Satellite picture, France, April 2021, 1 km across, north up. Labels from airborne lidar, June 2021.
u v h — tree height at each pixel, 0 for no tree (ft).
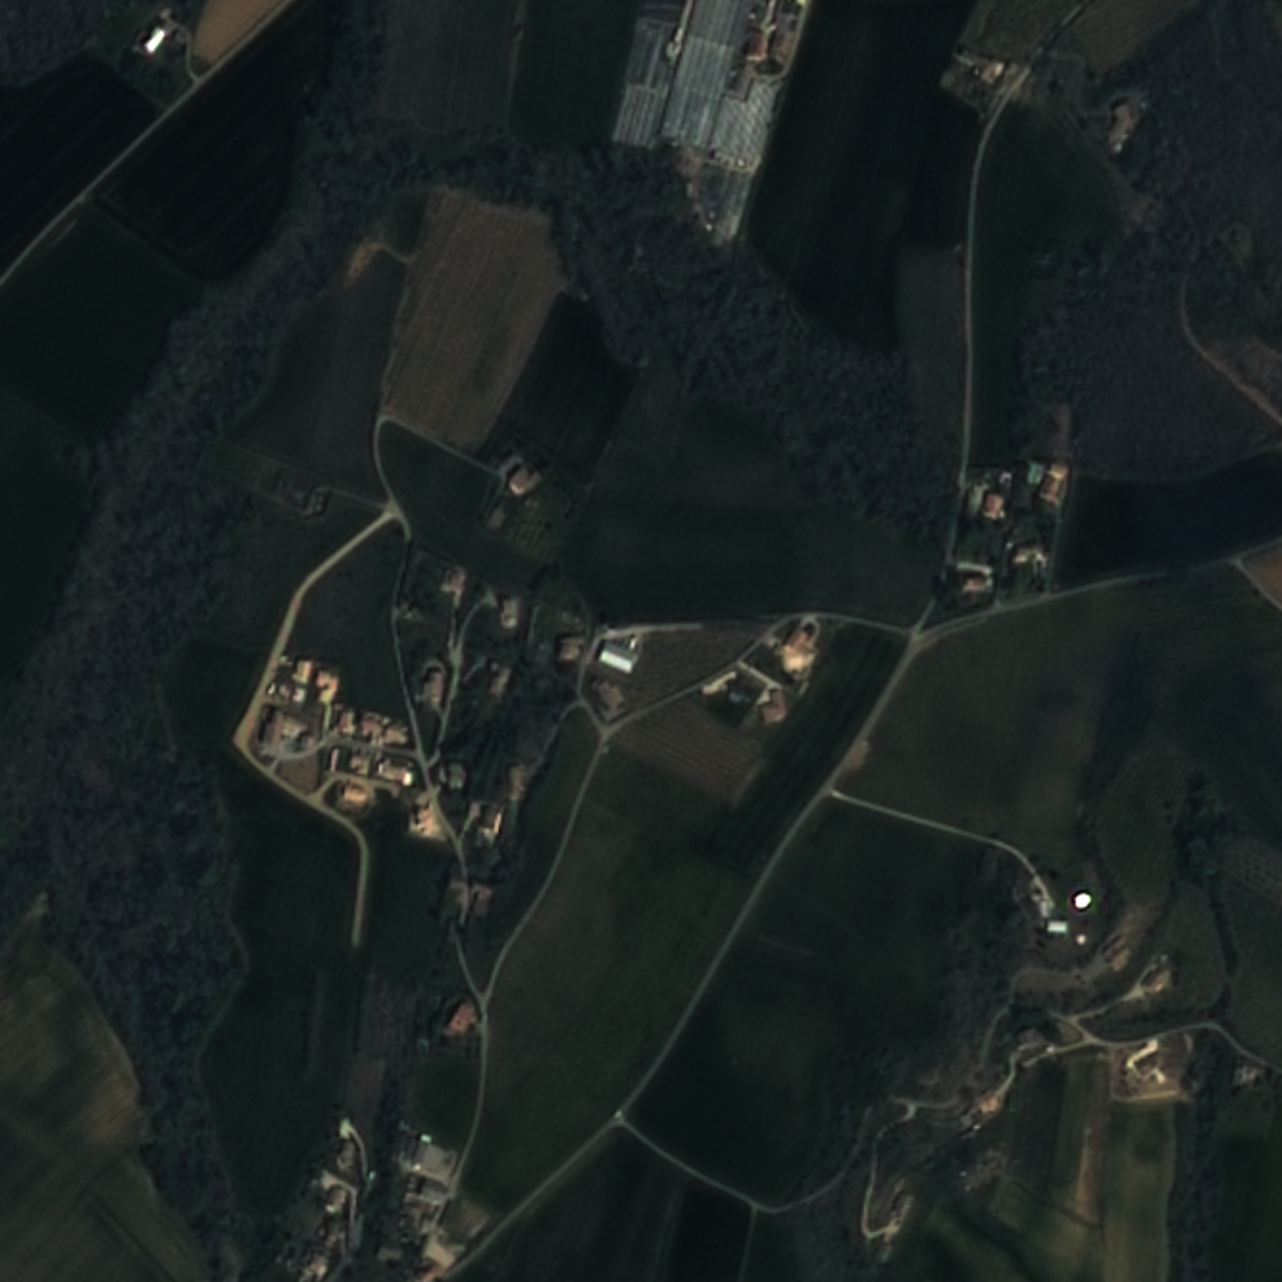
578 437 0
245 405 56
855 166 0
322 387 0
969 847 0
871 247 0
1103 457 40
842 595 0
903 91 0
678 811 0
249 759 0
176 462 45
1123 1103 0
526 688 24
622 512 0
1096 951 37
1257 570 0
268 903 0
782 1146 0
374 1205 20
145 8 25
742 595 0
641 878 0
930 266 0
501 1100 0
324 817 0
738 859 0
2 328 0
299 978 0
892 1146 40
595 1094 0
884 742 0
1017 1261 0
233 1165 0
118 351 0
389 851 0
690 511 0
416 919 0
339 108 47
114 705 66
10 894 50
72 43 49
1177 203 24
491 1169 0
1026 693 0
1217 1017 40
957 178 0
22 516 0
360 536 0
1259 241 21
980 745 0
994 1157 0
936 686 0
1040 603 0
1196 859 79
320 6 0
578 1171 0
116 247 0
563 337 0
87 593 55
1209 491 0
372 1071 0
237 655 0
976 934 0
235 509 60
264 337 39
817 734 0
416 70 0
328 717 0
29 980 0
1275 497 0
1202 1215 69
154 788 20
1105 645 0
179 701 0
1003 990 47
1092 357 50
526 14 0
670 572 0
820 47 0
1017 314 0
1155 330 39
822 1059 0
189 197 0
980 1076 35
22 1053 0
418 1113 0
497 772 0
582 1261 0
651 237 49
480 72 0
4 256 0
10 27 46
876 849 0
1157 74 43
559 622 0
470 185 38
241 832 0
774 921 0
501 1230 0
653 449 0
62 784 39
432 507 0
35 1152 0
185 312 37
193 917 32
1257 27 49
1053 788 0
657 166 55
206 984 65
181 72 0
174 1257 0
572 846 0
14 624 0
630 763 0
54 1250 0
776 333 57
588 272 57
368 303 0
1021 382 38
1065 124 0
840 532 0
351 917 0
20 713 41
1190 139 50
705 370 63
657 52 0
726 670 0
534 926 0
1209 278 44
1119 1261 0
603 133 0
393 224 0
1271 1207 0
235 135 0
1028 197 0
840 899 0
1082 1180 0
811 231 0
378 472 0
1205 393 39
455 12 0
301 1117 0
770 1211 0
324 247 37
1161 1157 0
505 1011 0
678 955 0
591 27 0
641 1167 0
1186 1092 30
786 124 0
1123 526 0
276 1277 0
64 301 0
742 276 52
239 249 0
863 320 0
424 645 0
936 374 0
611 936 0
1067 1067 0
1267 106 58
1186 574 39
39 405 0
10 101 0
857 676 0
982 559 22
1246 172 43
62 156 0
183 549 58
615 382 0
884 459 73
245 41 0
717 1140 0
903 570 0
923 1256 0
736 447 0
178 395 44
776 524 0
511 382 0
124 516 40
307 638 0
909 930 0
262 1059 0
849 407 52
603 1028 0
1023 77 0
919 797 0
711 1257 0
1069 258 0
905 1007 0
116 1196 0
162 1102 72
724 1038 0
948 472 26
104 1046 0
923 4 0
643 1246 0
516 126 0
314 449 0
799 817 0
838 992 0
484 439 0
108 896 56
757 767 0
